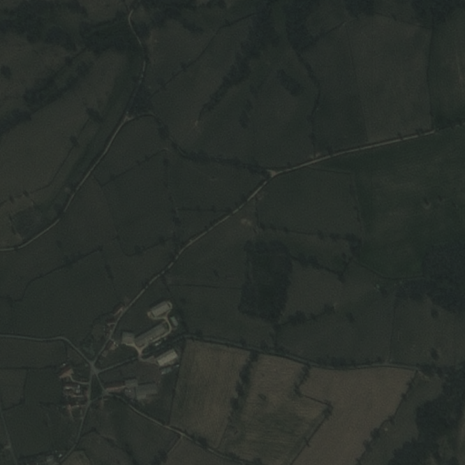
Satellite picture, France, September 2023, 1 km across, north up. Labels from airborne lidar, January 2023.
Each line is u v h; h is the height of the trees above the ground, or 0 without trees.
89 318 0
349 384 0
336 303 0
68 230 0
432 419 15
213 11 0
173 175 0
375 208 0
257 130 0
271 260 0
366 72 0
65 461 0
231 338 0
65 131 0
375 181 0
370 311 0
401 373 0
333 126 0
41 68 0
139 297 0
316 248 0
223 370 0
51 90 0
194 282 0
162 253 0
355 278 0
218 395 0
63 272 0
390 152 0
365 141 0
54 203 0
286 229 9
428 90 0
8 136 0
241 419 0
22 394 0
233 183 0
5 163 0
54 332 0
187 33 0
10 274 0
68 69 0
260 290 0
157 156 0
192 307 0
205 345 0
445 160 0
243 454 0
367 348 0
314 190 0
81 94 0
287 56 0
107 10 0
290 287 0
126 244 0
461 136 0
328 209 0
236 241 0
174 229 0
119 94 0
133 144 0
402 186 0
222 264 0
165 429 0
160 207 0
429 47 0
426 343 0
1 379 0
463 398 11
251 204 0
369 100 0
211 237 0
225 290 0
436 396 0
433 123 0
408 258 0
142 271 0
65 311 0
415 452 14
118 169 0
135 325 0
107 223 0
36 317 0
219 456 0
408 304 0
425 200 10
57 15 0
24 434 0
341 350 0
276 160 0
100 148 0
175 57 0
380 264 0
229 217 0
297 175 0
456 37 0
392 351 0
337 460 0
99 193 0
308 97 0
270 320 14
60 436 0
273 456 0
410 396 0
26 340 0
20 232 0
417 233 0
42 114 0
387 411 0
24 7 19
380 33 0
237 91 0
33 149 0
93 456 0
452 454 0
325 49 0
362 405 0
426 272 17
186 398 0
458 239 0
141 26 0
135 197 0
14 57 0
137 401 9
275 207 0
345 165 0
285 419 0
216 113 0
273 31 23
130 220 0
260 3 0
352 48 0
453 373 18
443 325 0
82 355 0
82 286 0
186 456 0
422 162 0
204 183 0
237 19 0
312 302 0
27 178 0
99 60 0
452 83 0
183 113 0
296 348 0
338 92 0
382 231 0
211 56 0
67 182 0
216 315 0
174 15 15
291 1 0
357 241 10
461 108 0
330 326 0
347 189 0
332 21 0
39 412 0
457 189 0
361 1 15
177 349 0
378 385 0
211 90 0
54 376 0
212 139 0
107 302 0
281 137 0
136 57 0
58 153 0
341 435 0
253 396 0
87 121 0
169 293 10
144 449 0
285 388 0
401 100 0
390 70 0
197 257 0
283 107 0
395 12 0
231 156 0
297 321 11
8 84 0
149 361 0
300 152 0
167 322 0
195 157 16
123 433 0
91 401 0
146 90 6
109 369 0
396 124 0
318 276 0
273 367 0
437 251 14
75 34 0
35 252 0
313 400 0
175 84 0
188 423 0
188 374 0
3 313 0
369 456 0
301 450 0
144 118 0
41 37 0
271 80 0
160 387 0
